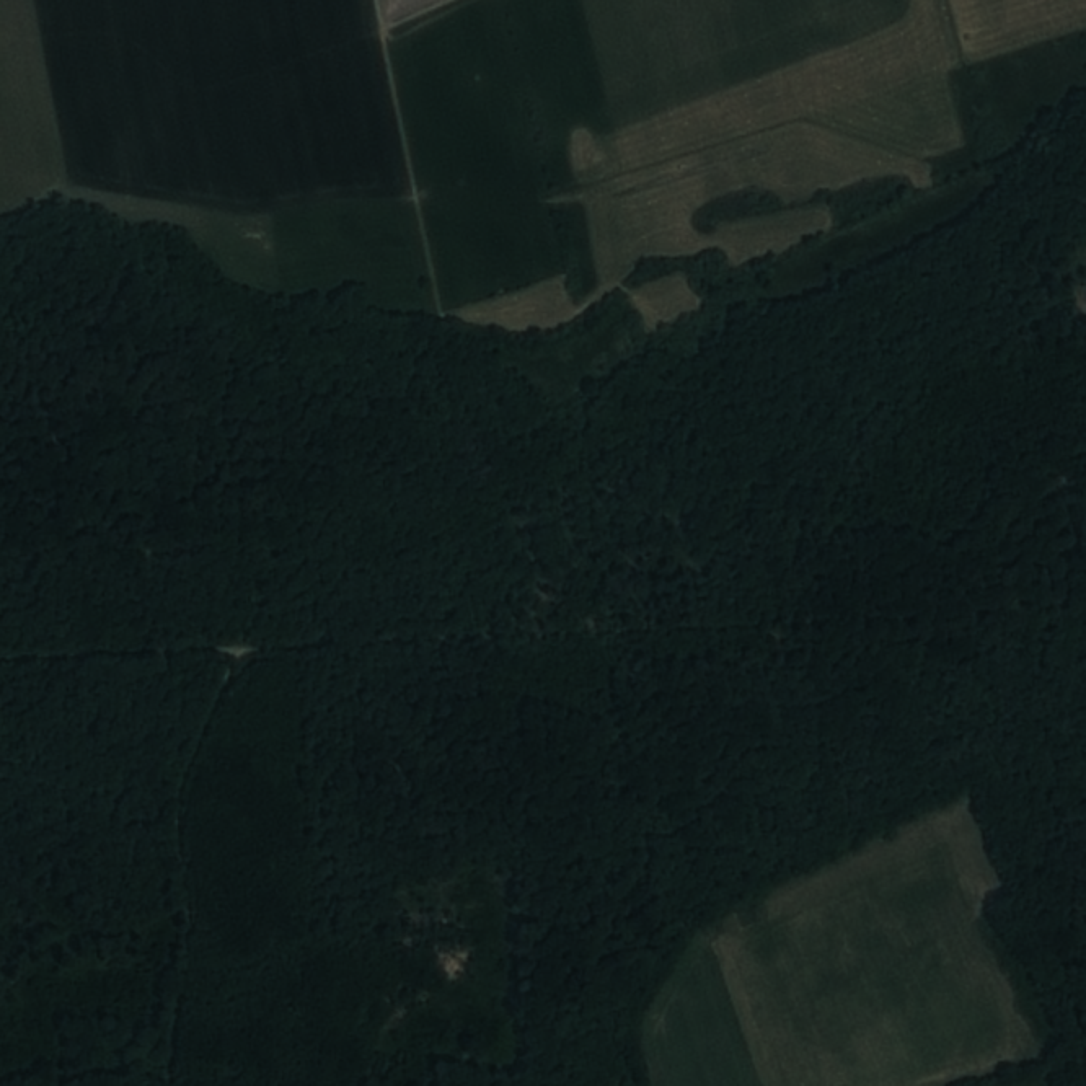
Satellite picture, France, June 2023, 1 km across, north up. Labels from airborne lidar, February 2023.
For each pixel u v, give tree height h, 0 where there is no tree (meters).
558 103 0
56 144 0
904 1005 0
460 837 27
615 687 25
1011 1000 0
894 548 27
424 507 21
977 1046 0
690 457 20
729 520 17
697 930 20
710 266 9
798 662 25
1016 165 18
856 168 0
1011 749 21
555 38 0
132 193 0
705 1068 0
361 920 25
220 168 0
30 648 17
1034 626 25
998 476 28
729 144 0
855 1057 0
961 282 21
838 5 0
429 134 0
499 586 24
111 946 25
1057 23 0
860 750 25
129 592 23
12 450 27
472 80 0
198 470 30
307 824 21
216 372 23
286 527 24
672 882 26
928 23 0
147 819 25
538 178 0
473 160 0
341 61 0
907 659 25
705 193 0
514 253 0
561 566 25
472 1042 27
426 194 0
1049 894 25
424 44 0
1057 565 28
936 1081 0
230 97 0
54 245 22
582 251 0
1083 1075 18
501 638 23
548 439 16
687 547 22
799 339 21
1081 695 21
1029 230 22
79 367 30
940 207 0
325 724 24
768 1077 0
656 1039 0
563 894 29
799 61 0
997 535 25
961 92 0
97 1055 27
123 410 29
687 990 0
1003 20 0
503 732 24
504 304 0
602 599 22
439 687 26
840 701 27
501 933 0
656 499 25
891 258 15
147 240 12
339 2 0
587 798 28
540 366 0
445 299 0
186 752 20
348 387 22
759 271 7
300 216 0
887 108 0
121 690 22
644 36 0
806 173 0
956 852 0
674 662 26
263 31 0
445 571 21
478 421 21
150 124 0
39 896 25
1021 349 26
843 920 0
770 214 0
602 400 16
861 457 24
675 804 25
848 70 0
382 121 0
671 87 0
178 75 0
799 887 0
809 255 0
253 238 0
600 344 0
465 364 19
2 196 0
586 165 0
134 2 0
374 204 0
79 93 0
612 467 16
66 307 24
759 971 0
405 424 20
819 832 23
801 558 23
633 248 0
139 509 25
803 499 28
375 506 23
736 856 28
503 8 0
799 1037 0
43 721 23
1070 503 27
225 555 23
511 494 15
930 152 0
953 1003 0
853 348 21
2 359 27
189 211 0
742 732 25
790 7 0
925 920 0
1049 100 0
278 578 20
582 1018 26
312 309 17
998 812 21
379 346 18
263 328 15
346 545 22
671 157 0
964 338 23
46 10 0
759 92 0
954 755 23
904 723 25
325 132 0
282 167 0
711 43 0
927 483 15
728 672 25
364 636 22
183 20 0
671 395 16
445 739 28
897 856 0
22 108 0
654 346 6
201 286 18
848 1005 0
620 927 28
